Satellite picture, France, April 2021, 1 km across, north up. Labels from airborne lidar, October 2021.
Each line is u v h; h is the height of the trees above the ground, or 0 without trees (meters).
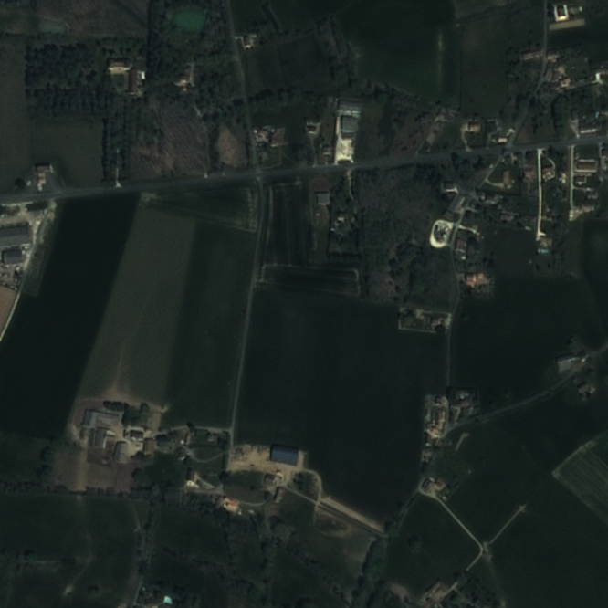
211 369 0
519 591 0
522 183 6
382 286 11
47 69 23
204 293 0
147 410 13
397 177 9
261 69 0
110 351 0
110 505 0
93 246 0
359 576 0
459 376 0
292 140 0
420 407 0
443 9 0
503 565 0
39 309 0
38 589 0
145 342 0
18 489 12
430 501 0
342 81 23
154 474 0
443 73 0
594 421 0
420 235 13
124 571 0
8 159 0
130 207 0
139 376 0
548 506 0
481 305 0
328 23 7
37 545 0
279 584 0
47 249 0
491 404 7
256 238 0
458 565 0
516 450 0
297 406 0
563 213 0
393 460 0
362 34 0
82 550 0
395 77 0
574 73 0
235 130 16
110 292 0
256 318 0
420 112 0
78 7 22
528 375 0
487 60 0
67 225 0
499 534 0
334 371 0
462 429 0
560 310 0
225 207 0
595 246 0
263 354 0
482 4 0
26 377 0
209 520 18
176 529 0
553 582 0
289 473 0
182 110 23
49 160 0
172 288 0
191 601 12
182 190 0
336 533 0
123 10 21
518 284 0
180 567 0
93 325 0
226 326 0
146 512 0
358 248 16
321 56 0
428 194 14
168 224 0
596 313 0
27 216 0
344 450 0
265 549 14
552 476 0
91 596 12
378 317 0
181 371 0
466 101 0
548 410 0
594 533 0
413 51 0
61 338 0
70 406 0
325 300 0
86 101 23
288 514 0
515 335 0
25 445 0
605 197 0
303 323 0
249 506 0
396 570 0
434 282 15
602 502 0
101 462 0
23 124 0
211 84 12
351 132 0
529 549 0
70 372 0
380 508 0
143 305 0
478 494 0
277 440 0
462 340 0
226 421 0
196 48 7
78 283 0
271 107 21
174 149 22
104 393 0
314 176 0
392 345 0
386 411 0
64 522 0
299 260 0
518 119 13
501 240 0
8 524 0
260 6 0
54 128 0
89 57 19
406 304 11
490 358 0
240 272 0
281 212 0
